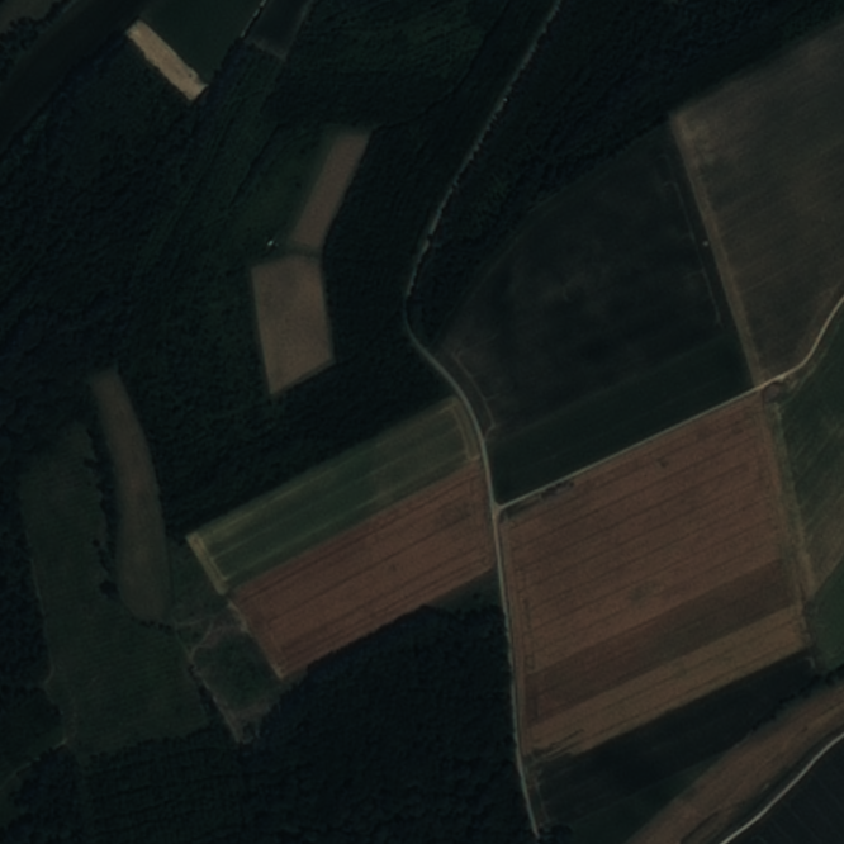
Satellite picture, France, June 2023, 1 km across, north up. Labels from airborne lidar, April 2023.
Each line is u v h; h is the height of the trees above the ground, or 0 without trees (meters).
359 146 0
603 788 0
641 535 0
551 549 0
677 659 0
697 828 0
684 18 11
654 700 0
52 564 0
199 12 0
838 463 0
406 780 25
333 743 25
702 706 0
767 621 0
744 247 0
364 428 11
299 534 0
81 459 0
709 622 0
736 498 0
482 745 29
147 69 22
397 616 0
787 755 0
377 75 6
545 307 0
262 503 0
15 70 0
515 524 0
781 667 0
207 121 16
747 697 0
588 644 0
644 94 19
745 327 0
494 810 27
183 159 14
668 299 0
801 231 0
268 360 0
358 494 0
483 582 0
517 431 0
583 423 0
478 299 0
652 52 20
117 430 0
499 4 8
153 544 0
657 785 0
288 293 0
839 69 0
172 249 11
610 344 0
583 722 0
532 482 0
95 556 0
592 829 0
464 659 24
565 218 0
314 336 0
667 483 0
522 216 11
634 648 0
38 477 0
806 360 0
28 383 28
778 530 0
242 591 0
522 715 0
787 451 0
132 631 0
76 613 0
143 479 0
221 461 10
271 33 0
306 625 0
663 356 0
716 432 0
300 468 10
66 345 28
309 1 0
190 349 8
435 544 0
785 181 0
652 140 0
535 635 0
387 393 13
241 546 0
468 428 0
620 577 0
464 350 0
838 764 0
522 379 0
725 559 0
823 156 0
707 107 0
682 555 0
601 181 0
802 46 0
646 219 0
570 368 0
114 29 0
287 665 0
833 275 0
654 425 0
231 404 7
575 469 0
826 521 0
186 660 0
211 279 8
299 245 0
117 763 6
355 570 0
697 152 0
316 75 6
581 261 0
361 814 28
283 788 23
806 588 0
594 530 0
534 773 0
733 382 0
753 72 0
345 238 10
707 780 0
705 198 0
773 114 0
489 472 0
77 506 0
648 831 0
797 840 0
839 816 0
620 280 0
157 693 0
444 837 25
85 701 0
